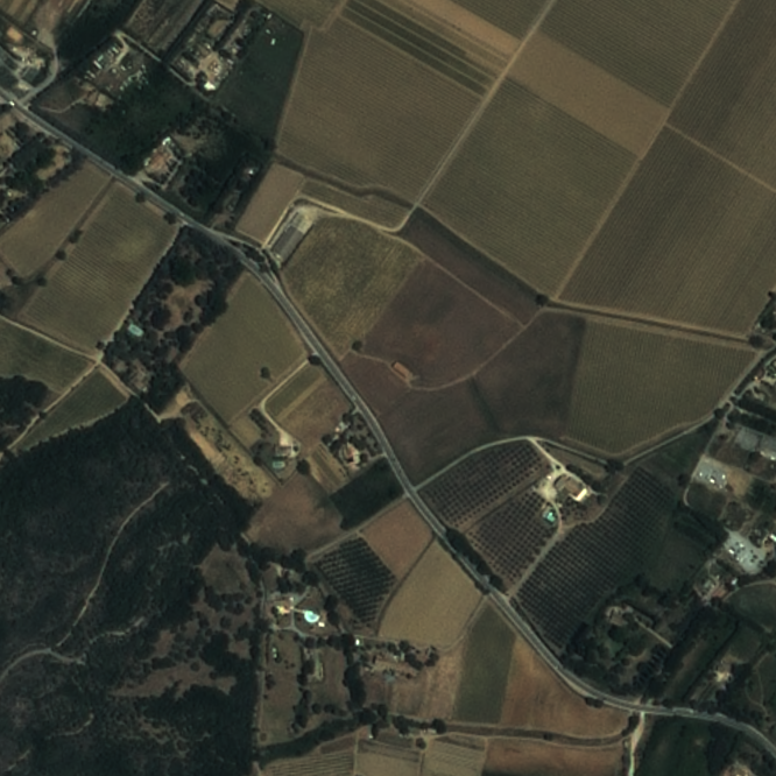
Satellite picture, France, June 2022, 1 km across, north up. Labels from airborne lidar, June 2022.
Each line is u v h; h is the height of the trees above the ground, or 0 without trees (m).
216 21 9
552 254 0
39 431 0
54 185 13
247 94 0
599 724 0
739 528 0
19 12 0
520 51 0
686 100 0
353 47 0
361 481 6
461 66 0
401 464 0
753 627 8
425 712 0
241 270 8
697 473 0
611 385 0
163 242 0
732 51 0
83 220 0
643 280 0
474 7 0
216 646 13
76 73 9
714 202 0
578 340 0
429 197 0
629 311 0
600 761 0
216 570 0
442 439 0
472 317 0
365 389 0
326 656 0
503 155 0
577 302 0
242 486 0
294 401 0
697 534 9
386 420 0
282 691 0
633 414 0
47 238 0
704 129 0
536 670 0
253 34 6
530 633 0
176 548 7
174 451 12
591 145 0
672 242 0
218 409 0
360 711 7
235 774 11
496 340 0
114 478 7
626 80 0
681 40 0
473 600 0
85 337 0
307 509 0
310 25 0
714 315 0
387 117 0
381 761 0
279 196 0
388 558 0
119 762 11
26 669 6
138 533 5
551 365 0
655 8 0
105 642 6
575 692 0
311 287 0
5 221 10
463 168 0
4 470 11
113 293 0
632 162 0
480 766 0
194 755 6
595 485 8
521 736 0
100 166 0
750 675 13
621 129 0
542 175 0
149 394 9
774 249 0
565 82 0
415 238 0
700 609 6
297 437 0
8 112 13
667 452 0
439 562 0
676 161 0
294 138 0
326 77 0
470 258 0
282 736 0
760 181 0
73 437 9
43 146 13
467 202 0
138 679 7
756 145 0
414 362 0
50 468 11
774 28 0
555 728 0
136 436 10
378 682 0
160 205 0
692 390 0
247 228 0
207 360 0
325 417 0
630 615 11
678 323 0
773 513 0
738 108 0
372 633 0
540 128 0
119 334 11
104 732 8
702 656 0
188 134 7
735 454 0
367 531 0
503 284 0
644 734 0
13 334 0
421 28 0
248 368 0
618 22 0
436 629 0
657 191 0
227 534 10
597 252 0
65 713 6
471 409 0
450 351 0
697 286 0
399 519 0
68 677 5
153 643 8
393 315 0
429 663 7
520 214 0
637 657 9
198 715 7
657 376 0
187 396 0
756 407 12
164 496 5
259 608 6
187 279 28
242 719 11
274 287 0
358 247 0
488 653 0
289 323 0
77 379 0
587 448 0
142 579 9
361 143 0
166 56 12
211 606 9
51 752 7
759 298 0
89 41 10
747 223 0
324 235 0
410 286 0
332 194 0
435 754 0
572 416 0
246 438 0
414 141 0
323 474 0
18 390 13
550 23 0
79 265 0
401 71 0
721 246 0
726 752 9
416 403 0
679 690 0
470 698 0
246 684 10
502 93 0
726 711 10
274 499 0
